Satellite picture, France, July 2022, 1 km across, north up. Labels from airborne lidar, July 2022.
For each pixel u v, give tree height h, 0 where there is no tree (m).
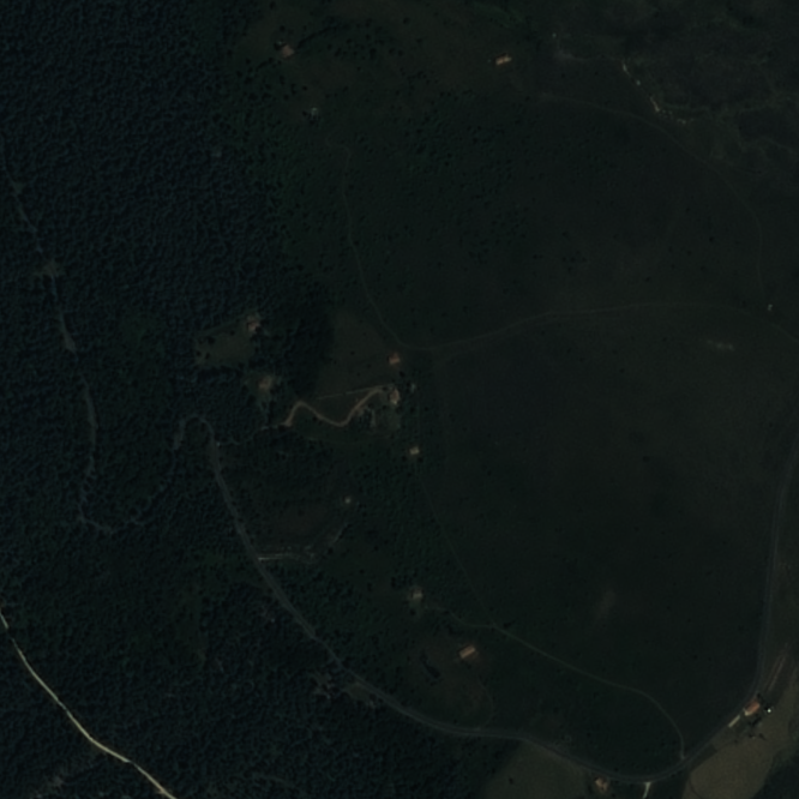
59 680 16
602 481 0
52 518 8
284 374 6
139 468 10
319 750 6
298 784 12
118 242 6
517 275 0
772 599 0
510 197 0
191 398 20
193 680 10
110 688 19
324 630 6
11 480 22
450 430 0
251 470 7
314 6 0
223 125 16
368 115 0
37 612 11
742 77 0
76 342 14
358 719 13
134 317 11
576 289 0
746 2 0
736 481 0
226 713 14
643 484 0
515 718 0
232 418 19
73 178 18
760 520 0
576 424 0
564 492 0
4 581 11
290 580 7
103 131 19
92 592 11
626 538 0
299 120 0
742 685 0
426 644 0
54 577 14
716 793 0
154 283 23
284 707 17
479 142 7
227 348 0
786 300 0
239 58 0
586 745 0
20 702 23
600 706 0
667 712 0
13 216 9
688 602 0
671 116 0
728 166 0
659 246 0
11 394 13
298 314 12
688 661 0
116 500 11
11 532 20
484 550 0
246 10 11
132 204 19
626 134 0
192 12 13
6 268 20
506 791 0
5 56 21
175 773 15
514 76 0
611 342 0
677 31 0
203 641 0
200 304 19
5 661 24
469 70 0
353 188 7
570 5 0
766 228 0
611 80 0
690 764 0
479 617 0
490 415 0
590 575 0
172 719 17
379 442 0
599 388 0
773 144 0
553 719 0
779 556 0
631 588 0
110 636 13
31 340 24
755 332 0
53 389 20
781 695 0
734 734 0
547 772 0
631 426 0
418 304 0
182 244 21
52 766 18
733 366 0
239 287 14
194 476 16
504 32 0
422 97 0
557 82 0
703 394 0
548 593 0
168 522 11
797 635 0
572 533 0
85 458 11
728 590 0
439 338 0
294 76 0
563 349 0
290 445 11
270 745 16
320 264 7
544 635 0
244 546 9
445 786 19
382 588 0
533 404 0
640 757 0
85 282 13
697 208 0
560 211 0
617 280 0
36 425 22
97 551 11
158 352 11
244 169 15
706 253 0
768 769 0
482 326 0
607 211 0
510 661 0
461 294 0
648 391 0
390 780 11
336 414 0
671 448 0
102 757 17
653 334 0
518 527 0
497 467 0
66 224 18
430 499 0
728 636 0
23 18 20
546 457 0
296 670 15
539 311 0
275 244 10
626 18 0
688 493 0
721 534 0
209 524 9
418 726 11
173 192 12
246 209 22
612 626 0
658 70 0
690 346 0
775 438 0
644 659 0
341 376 0
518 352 0
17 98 19
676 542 0
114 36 20
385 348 0
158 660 11
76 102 19
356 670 10
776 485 0
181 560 16
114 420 11
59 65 13
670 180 0
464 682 0
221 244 20
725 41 0
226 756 10
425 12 0
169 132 18
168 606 10
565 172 0
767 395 0
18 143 11
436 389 0
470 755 6
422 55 0
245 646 10
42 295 16
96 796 10
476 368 0
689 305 0
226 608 16
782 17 0
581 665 0
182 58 19
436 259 0
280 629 18
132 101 19
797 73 0
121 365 14
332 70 0
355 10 0
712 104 0
